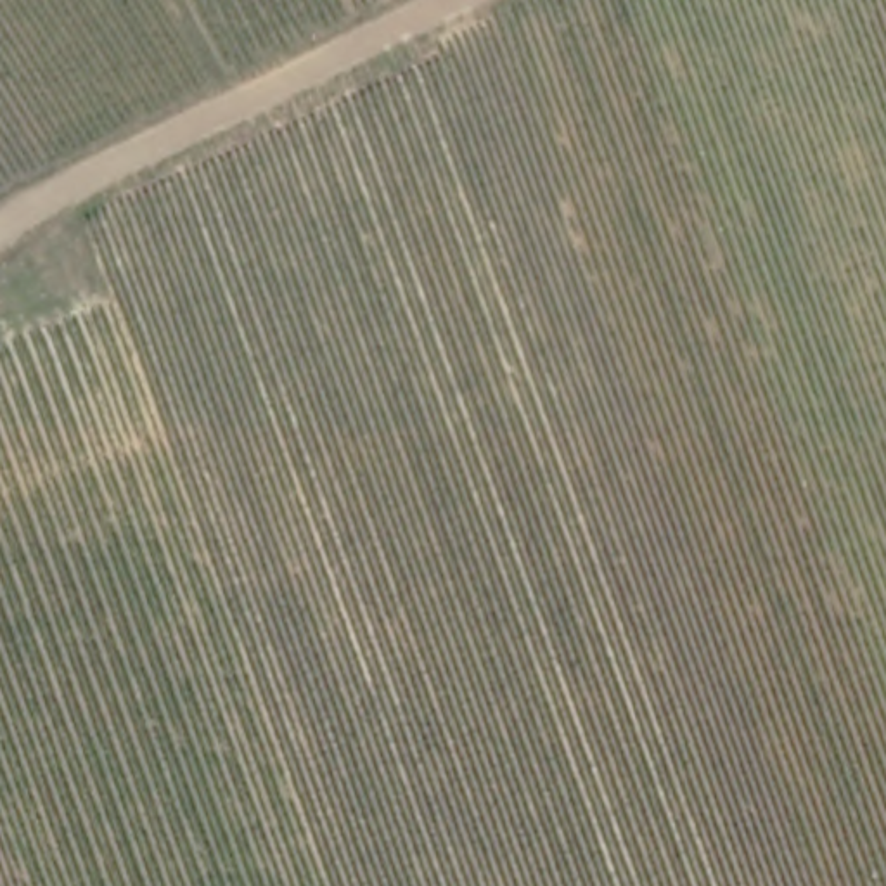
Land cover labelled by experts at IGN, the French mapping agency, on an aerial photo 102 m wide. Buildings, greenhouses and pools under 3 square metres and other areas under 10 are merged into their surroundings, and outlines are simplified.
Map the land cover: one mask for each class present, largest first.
<instances>
[{"label":"vineyard","instance_id":"1","mask_svg":"<svg viewBox=\"0 0 886 886\"><path fill-rule=\"evenodd\" d=\"M408 0H0V204L10 194L45 183L48 177L87 159L97 149H107L149 125H159L204 97H215L315 45H325L329 38L353 31ZM0 886H886V0H491L474 14H453L446 17V24L429 28L412 42L395 45L391 52H381L346 73H336L318 87L291 93L284 104L256 114L253 121H239L180 152L163 156L159 163L138 173L121 177L80 208L48 215L45 222L28 228L14 246L0 239Z\"/></svg>","mask_w":886,"mask_h":886},{"label":"pervious surface","instance_id":"2","mask_svg":"<svg viewBox=\"0 0 886 886\"><path fill-rule=\"evenodd\" d=\"M491 0H408L353 31L329 38L325 45H315L215 97H204L159 125H149L107 149H97L87 159L48 177L45 183L10 194L0 204V239L14 246L28 228L45 222L48 215L80 208L121 177L138 173L159 163L163 156L180 152L239 121H253L256 114L284 104L291 93L318 87L336 73H346L381 52H391L395 45L412 42L429 28L446 24V17L453 14H474Z\"/></svg>","mask_w":886,"mask_h":886}]
</instances>
